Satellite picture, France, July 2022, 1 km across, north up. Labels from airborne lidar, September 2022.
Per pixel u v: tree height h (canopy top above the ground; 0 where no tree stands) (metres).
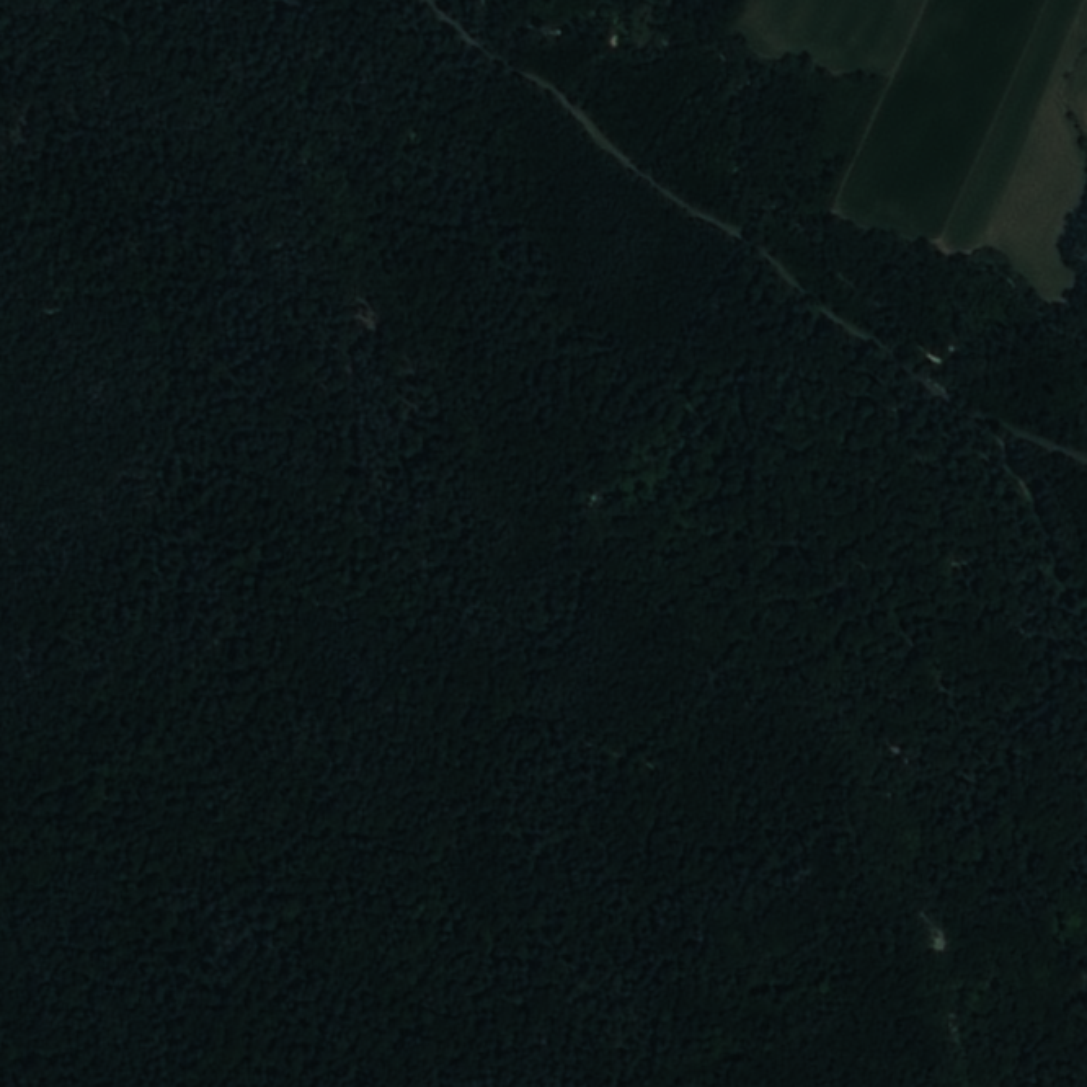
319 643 23
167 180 15
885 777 19
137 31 24
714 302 27
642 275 20
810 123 12
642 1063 12
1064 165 0
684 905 26
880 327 7
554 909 17
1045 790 31
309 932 13
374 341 26
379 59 26
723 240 22
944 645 32
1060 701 25
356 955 10
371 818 26
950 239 0
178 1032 24
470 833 26
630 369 29
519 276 11
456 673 21
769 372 29
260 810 18
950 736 31
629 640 18
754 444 34
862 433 30
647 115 12
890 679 31
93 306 15
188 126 19
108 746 17
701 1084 21
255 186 10
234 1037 28
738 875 20
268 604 20
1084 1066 35
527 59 27
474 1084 37
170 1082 25
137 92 12
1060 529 38
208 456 24
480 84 26
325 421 22
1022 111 0
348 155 24
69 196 11
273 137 22
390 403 34
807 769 14
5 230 16
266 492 23
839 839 20
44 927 19
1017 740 26
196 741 10
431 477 35
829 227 21
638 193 20
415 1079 30
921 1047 14
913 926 10
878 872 20
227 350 6
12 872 18
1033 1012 30
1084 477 11
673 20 11
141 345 14
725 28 20
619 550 21
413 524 33
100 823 16
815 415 26
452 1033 23
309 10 30
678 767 24
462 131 25
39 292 11
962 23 0
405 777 18
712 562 29
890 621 29
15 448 11
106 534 18
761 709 19
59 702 14
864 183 0
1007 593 27
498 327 27
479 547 19
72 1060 11
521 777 23
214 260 19
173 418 18
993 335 11
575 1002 22
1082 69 0
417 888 18
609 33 11
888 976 18
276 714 14
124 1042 12
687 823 21
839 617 36
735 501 37
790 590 35
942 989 12
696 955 21
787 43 0
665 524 34
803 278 7
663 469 34
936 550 26
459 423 16
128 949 13
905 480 28
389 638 22
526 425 25
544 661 34
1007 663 37
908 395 30
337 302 21
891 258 18
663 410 33
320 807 9
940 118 0
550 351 29
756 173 18
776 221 11
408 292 30
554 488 33
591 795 28
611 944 16
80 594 15
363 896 10
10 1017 18
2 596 16
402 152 24
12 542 14
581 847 21
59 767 18
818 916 22
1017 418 10
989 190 0
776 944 26
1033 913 26
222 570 28
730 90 19
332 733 22
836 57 0
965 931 37
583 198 21
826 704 24
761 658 24
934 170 0
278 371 33
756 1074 15
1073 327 25
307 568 20
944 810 11
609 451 32
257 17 29
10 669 15
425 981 21
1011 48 0
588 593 24
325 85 26
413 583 18
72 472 14
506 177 18
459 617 21
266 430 19
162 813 18
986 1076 34
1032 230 0
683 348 23
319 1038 13
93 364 9
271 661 21
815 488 29
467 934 28
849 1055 14
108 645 10
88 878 19
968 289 6
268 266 27
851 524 27
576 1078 14
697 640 19
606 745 17
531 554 19
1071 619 35
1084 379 7
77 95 18
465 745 19
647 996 23
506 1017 28
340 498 21
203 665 11
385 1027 27
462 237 29
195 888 24
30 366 16
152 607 22
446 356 20
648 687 17
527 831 19
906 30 0
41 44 11
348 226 14
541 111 14
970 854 27
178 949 14
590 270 25
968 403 21
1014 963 35
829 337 34
